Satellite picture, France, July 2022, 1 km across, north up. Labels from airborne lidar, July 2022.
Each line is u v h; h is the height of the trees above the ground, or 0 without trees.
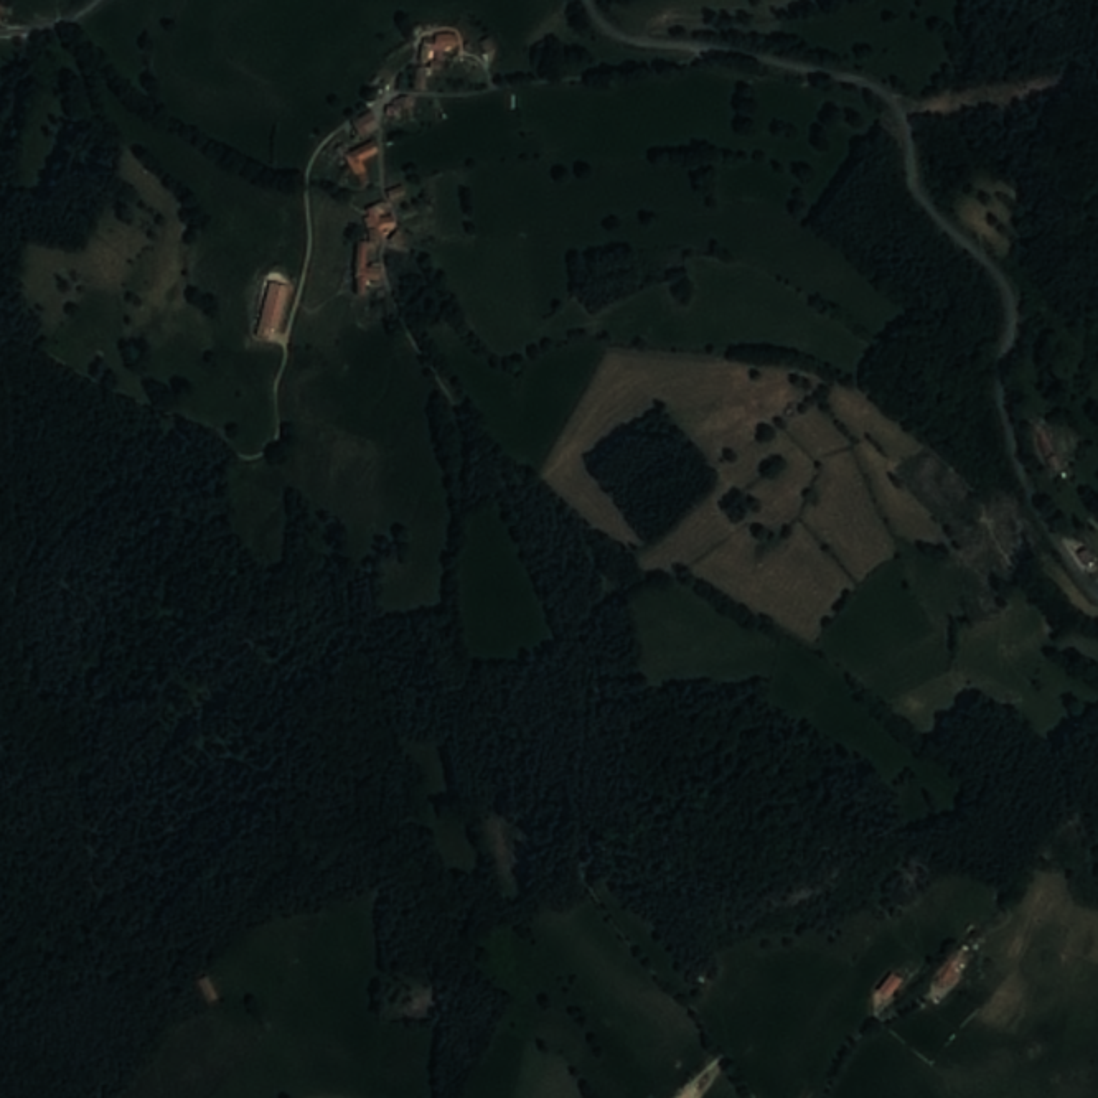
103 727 25
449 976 21
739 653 0
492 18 0
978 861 20
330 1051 0
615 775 17
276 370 0
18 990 11
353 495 0
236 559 18
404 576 0
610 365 0
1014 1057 0
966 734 29
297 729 29
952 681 0
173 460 27
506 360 9
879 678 0
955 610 0
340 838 28
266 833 30
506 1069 0
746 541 0
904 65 0
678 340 0
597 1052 10
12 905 15
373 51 0
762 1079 0
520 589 0
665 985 9
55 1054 19
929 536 0
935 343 23
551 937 0
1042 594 28
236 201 0
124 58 0
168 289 0
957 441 26
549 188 0
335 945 0
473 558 0
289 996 0
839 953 0
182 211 9
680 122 0
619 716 19
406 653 13
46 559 21
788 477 0
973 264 16
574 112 0
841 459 0
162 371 0
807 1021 0
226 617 35
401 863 21
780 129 15
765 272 0
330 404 0
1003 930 0
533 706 19
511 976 0
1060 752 29
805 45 16
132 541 16
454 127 0
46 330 0
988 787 26
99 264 0
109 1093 16
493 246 0
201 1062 0
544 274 0
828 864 10
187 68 0
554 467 0
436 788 0
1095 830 15
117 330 0
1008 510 0
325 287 0
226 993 0
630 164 0
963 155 24
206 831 20
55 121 19
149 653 24
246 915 17
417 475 0
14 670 21
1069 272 14
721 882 12
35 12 0
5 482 16
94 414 21
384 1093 0
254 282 0
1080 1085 0
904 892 15
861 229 24
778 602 0
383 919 18
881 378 20
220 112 0
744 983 0
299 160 0
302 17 0
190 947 21
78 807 16
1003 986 0
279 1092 0
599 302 15
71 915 12
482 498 16
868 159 20
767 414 0
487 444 20
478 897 18
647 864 9
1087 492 16
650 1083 0
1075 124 32
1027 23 24
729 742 14
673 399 0
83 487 19
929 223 24
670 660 0
